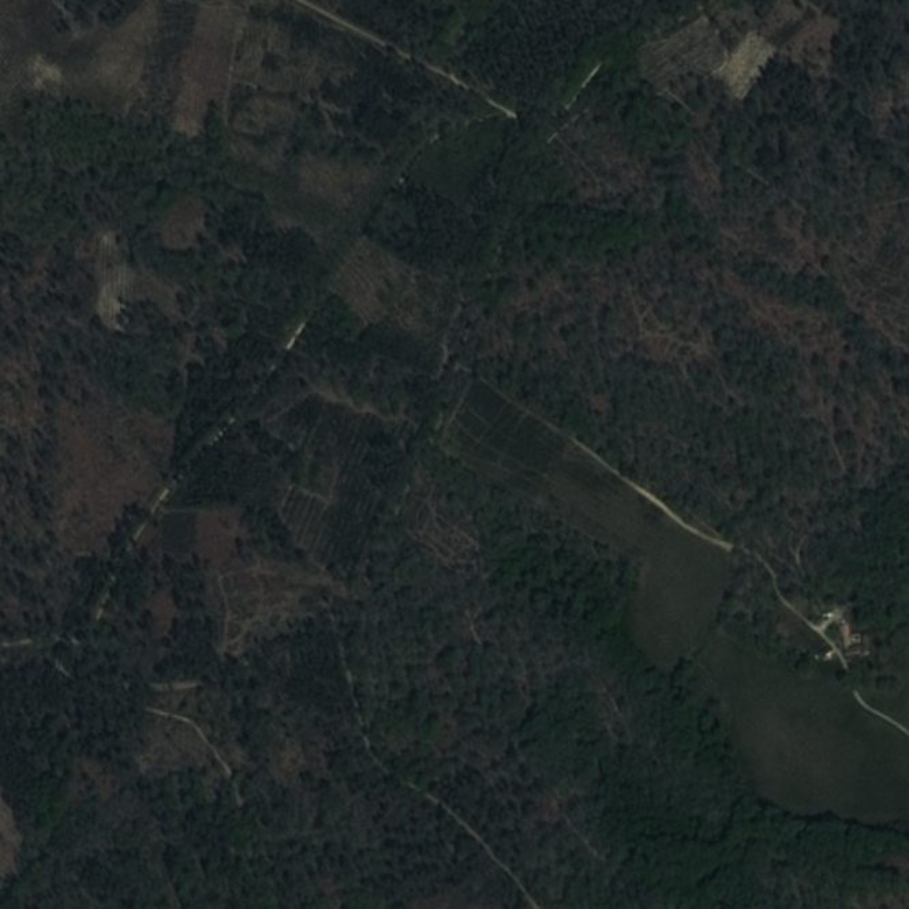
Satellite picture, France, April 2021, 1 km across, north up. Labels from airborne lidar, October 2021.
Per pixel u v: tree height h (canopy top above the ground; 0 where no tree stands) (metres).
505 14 9
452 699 14
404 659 14
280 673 10
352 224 14
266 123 17
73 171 7
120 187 13
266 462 9
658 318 11
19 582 10
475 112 7
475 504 15
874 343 21
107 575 8
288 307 19
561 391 19
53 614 10
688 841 15
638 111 24
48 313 8
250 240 18
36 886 16
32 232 19
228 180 14
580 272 11
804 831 21
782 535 15
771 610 14
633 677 18
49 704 22
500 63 18
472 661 20
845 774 0
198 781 12
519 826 12
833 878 19
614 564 15
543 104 19
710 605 0
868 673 17
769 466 19
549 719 19
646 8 9
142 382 20
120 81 0
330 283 21
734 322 16
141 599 23
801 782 0
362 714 14
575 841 18
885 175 15
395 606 7
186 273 20
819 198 17
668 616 0
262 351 13
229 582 0
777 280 19
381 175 15
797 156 12
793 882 18
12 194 16
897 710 0
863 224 17
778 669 0
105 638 10
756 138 23
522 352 15
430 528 0
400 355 10
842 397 18
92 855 12
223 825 20
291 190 15
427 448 14
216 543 0
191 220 0
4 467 14
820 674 0
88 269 11
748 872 23
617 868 15
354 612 8
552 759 21
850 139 14
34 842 18
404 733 15
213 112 14
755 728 0
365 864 22
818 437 18
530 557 20
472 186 10
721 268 14
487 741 19
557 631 15
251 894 15
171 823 23
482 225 17
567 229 20
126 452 0
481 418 0
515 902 6
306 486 14
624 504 0
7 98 0
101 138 19
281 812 23
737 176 21
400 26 9
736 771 14
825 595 11
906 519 22
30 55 0
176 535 0
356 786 18
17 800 22
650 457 13
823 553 14
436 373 7
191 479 22
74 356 18
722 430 21
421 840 16
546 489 0
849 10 12
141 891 17
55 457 21
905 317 0
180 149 15
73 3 23
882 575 21
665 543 0
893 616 19
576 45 19
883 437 13
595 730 19
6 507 16
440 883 15
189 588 20
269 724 19
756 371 14
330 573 11
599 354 15
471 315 7
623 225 22
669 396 13
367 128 22
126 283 0
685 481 9
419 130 9
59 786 20
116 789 8
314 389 12
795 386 16
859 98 10
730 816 20
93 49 0
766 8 21
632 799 20
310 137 14
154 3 0
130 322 21
